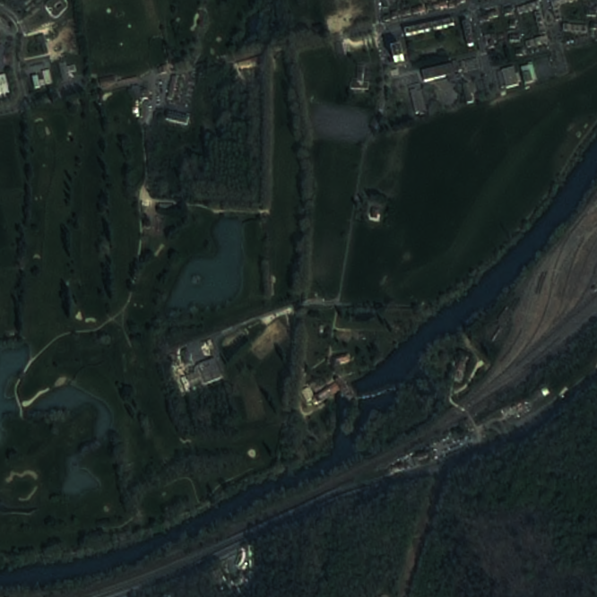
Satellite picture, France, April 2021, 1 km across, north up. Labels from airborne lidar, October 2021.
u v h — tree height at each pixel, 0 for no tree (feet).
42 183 0
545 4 0
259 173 101
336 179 0
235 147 99
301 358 88
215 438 74
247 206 86
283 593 63
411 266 0
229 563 0
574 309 0
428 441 33
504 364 0
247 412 0
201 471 96
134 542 49
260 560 67
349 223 0
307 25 0
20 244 49
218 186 84
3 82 0
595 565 47
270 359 0
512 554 49
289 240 0
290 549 54
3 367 0
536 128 0
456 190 0
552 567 47
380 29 0
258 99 104
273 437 0
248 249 0
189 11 0
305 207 56
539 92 0
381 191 0
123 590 0
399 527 50
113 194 0
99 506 0
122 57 0
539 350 0
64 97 35
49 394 0
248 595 52
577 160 26
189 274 0
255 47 91
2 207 0
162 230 0
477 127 0
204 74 46
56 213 0
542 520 52
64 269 0
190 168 84
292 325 0
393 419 103
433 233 0
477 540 61
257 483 23
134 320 0
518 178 0
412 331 30
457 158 0
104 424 0
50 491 0
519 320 0
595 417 77
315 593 38
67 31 0
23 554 47
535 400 0
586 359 55
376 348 42
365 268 0
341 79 0
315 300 0
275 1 37
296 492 68
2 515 0
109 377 0
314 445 80
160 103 0
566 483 81
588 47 0
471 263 0
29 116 90
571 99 0
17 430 0
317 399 0
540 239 0
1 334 0
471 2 0
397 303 39
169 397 56
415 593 61
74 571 0
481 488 65
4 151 0
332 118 0
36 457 0
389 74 30
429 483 62
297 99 109
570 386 0
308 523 52
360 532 69
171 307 0
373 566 71
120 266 0
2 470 0
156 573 0
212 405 81
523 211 0
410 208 0
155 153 37
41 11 0
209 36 0
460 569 73
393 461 0
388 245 0
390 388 0
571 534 62
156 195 34
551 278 0
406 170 0
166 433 0
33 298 0
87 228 0
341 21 0
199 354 0
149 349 0
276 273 0
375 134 69
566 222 30
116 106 0
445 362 59
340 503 68
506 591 42
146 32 0
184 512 90
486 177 0
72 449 0
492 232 0
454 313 0
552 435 60
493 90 48
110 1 0
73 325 0
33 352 0
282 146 0
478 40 0
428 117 68
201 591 71
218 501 115
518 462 73
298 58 92
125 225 0
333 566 79
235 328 0
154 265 0
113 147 0
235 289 0
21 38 54
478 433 0
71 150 0
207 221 0
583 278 0
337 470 65
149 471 0
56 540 0
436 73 0
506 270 0
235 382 0
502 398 50
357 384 0
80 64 0
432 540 73
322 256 0
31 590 28
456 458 0
